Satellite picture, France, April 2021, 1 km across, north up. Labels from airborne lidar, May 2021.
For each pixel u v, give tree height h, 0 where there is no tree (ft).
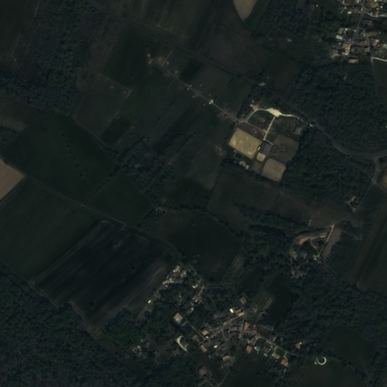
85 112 0
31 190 0
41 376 38
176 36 0
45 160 0
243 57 0
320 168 62
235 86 0
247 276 0
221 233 0
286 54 0
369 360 0
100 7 0
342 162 49
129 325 78
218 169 0
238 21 0
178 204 0
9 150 0
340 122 35
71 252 0
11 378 52
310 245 19
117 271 0
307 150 71
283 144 0
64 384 27
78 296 0
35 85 71
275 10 37
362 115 50
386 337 52
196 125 0
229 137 0
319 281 53
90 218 0
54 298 0
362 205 20
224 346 0
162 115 0
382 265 0
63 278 0
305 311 56
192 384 0
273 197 0
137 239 0
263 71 26
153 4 0
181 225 0
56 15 41
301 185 51
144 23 0
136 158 46
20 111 0
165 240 0
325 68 43
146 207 0
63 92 71
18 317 70
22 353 42
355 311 72
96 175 0
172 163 0
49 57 48
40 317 72
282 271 55
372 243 0
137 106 0
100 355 60
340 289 39
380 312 40
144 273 0
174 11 0
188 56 0
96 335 0
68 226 0
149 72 0
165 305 65
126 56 0
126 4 0
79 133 0
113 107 0
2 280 64
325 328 48
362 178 45
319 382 0
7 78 75
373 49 36
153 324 71
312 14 62
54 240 0
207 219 0
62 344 81
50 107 52
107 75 0
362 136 47
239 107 0
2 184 0
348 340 0
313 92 50
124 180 0
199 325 0
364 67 55
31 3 0
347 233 24
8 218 0
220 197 0
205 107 0
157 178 52
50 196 0
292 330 32
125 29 0
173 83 0
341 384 0
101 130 0
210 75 0
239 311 0
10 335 68
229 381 0
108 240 0
